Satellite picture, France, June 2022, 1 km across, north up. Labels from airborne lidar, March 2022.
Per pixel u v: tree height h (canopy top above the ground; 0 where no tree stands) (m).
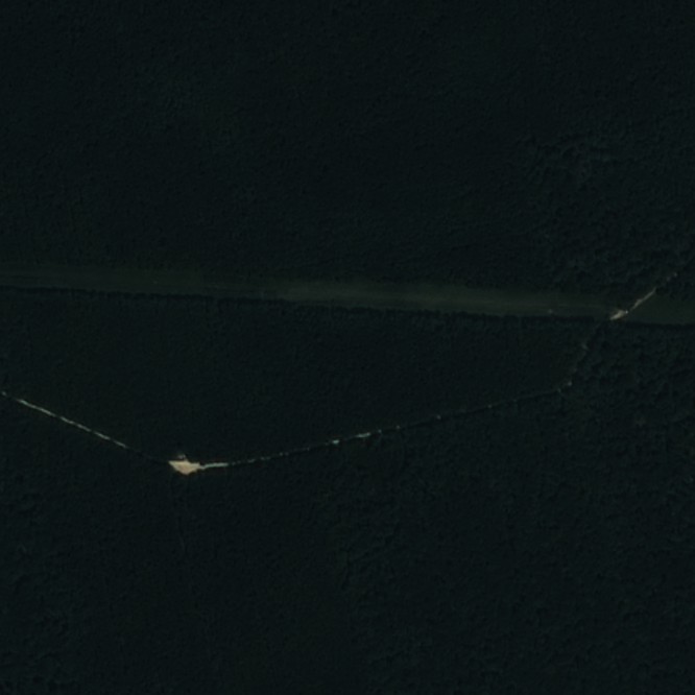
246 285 0
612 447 20
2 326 18
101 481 16
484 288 11
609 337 22
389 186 19
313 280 12
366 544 20
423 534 20
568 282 20
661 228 21
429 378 16
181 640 0
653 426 21
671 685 19
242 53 0
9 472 22
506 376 13
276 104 19
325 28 18
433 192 16
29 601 18
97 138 18
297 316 17
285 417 15
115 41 16
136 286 0
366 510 22
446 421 18
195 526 0
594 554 23
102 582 0
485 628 23
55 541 19
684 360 21
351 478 22
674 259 22
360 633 19
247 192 16
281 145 19
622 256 23
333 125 19
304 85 17
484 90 16
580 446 22
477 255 18
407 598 21
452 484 18
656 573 25
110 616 13
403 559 21
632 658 19
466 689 15
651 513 20
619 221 19
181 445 17
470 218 12
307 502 14
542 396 12
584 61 11
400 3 20
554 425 22
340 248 13
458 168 16
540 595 21
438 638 20
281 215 16
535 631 22
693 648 18
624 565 20
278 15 20
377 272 14
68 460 12
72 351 0
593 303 0
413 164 17
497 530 19
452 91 17
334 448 16
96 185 16
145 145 18
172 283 0
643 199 19
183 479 13
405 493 20
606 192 15
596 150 21
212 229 6
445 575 21
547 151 21
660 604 23
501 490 22
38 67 17
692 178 21
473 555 21
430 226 15
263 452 15
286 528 14
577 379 19
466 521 20
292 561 12
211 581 0
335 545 15
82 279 0
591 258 24
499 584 23
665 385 23
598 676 19
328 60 19
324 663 11
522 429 20
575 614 24
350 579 21
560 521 21
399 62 18
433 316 16
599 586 21
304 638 8
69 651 21
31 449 20
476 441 20
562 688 21
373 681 21
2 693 24
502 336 17
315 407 17
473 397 14
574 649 19
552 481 19
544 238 19
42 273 0
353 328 15
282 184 18
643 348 24
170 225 16
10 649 19
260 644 10
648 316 0
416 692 21
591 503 20
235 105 12
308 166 18
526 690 20
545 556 21
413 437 23
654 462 20
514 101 12
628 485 17
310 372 17
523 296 0
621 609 19
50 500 19
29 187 13
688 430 18
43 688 22
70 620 16
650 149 19
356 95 16
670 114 17
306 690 11
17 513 21
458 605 22
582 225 24
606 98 13
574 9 16
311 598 12
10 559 21
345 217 13
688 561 23
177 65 14
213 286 0
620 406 20
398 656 26
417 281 15
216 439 13
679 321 0
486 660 24
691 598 22
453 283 11
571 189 20
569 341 21
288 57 17
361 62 19
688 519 23
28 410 13
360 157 19
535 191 24
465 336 17
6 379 16
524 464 20
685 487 21
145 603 8
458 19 15
